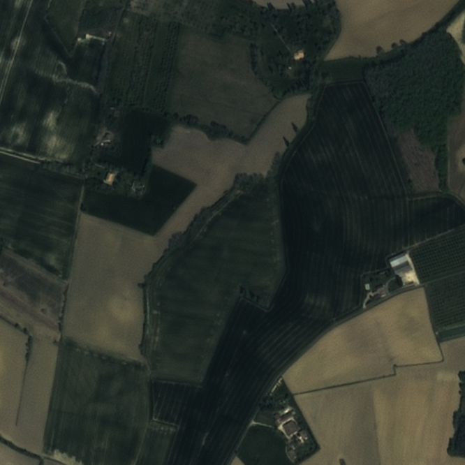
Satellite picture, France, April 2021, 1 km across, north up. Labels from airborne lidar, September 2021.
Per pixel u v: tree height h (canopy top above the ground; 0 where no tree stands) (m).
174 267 0
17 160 0
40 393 0
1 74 0
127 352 0
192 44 0
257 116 0
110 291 0
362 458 0
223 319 0
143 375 0
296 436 6
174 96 0
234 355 0
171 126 0
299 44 8
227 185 0
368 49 0
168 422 0
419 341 0
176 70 0
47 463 0
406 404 0
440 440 0
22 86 0
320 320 0
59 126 0
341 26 17
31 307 0
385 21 0
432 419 0
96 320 0
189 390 0
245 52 0
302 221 0
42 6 0
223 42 0
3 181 0
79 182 0
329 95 0
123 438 0
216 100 0
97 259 0
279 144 0
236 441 0
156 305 0
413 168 15
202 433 0
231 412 0
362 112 0
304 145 0
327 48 19
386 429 0
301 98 0
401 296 0
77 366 0
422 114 21
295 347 0
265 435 0
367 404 0
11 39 0
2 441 7
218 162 0
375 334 0
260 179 9
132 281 0
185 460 0
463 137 0
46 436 0
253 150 0
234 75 0
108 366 0
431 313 0
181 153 0
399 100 16
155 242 0
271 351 0
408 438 0
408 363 0
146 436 0
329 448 0
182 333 0
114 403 0
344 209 0
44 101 0
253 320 0
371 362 0
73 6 0
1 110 0
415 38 0
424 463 0
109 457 0
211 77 0
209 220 0
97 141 9
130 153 0
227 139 0
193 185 0
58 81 0
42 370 0
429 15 0
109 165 14
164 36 0
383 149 0
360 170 0
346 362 0
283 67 10
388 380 0
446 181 6
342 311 0
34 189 0
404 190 0
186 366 0
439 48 21
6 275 0
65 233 0
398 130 18
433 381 0
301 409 0
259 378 0
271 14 12
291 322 0
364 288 0
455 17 13
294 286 0
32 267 0
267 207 0
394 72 22
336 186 0
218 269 0
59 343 7
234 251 0
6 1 0
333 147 0
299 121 0
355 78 0
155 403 0
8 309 0
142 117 0
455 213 0
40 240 0
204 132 0
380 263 0
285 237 0
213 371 0
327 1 14
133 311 0
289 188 0
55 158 0
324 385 0
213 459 0
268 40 0
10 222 0
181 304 0
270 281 0
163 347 0
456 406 0
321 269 0
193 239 0
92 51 0
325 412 0
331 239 0
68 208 0
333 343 0
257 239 0
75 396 0
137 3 9
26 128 0
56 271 0
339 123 0
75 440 0
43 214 0
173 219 0
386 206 0
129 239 0
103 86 19
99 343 0
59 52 0
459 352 0
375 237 0
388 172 0
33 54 0
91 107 0
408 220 0
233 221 0
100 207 0
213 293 0
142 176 10
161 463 0
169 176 0
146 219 0
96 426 0
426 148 17
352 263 0
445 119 22
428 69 22
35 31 0
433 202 0
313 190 0
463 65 18
